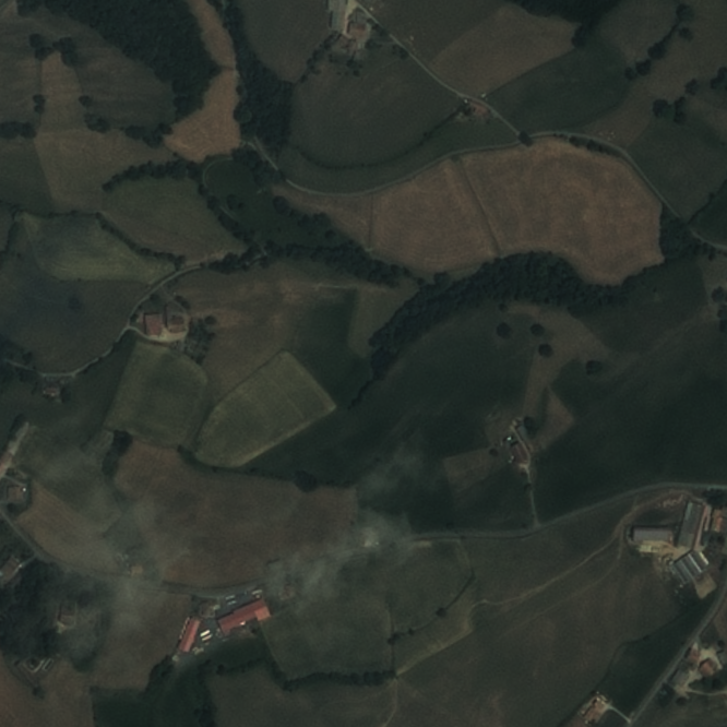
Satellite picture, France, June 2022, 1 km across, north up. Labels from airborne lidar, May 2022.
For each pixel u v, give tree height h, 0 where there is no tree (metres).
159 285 0
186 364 0
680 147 0
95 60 0
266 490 0
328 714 0
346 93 0
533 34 0
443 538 0
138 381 0
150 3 24
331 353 0
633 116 0
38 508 0
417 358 0
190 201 0
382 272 22
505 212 0
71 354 0
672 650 0
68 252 0
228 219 17
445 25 0
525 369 0
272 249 18
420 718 0
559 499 0
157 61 20
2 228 0
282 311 0
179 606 0
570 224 0
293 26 0
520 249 0
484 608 0
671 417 0
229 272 12
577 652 0
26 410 0
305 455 0
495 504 0
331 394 0
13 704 0
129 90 0
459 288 20
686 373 0
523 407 0
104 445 0
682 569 0
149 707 0
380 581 0
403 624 0
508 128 0
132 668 0
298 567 0
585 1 12
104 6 13
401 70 0
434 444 0
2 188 0
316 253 17
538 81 0
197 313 0
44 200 0
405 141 0
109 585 10
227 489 0
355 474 0
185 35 25
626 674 0
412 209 0
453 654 0
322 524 0
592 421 0
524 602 0
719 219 0
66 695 0
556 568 0
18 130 20
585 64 0
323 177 0
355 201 0
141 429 0
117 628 0
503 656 0
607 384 0
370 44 12
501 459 0
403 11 0
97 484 0
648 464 0
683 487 0
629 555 0
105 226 10
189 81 23
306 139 0
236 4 6
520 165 0
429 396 0
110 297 0
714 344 0
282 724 0
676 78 0
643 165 0
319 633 0
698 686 0
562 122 0
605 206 0
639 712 0
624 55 0
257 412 0
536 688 0
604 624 0
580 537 0
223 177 0
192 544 0
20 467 0
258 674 0
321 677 6
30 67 0
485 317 0
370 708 0
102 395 0
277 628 0
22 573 17
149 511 0
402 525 0
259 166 19
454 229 0
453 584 0
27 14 14
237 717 0
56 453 0
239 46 18
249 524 0
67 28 0
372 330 0
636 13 0
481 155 0
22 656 22
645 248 0
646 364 0
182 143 0
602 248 0
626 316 0
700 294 0
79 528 0
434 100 0
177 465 0
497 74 0
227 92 0
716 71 0
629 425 0
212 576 0
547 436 0
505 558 0
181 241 0
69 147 0
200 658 0
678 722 0
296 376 0
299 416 0
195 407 0
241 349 0
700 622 0
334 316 0
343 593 0
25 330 0
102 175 0
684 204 0
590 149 13
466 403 0
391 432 0
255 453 0
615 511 0
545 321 0
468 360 0
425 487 0
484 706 0
